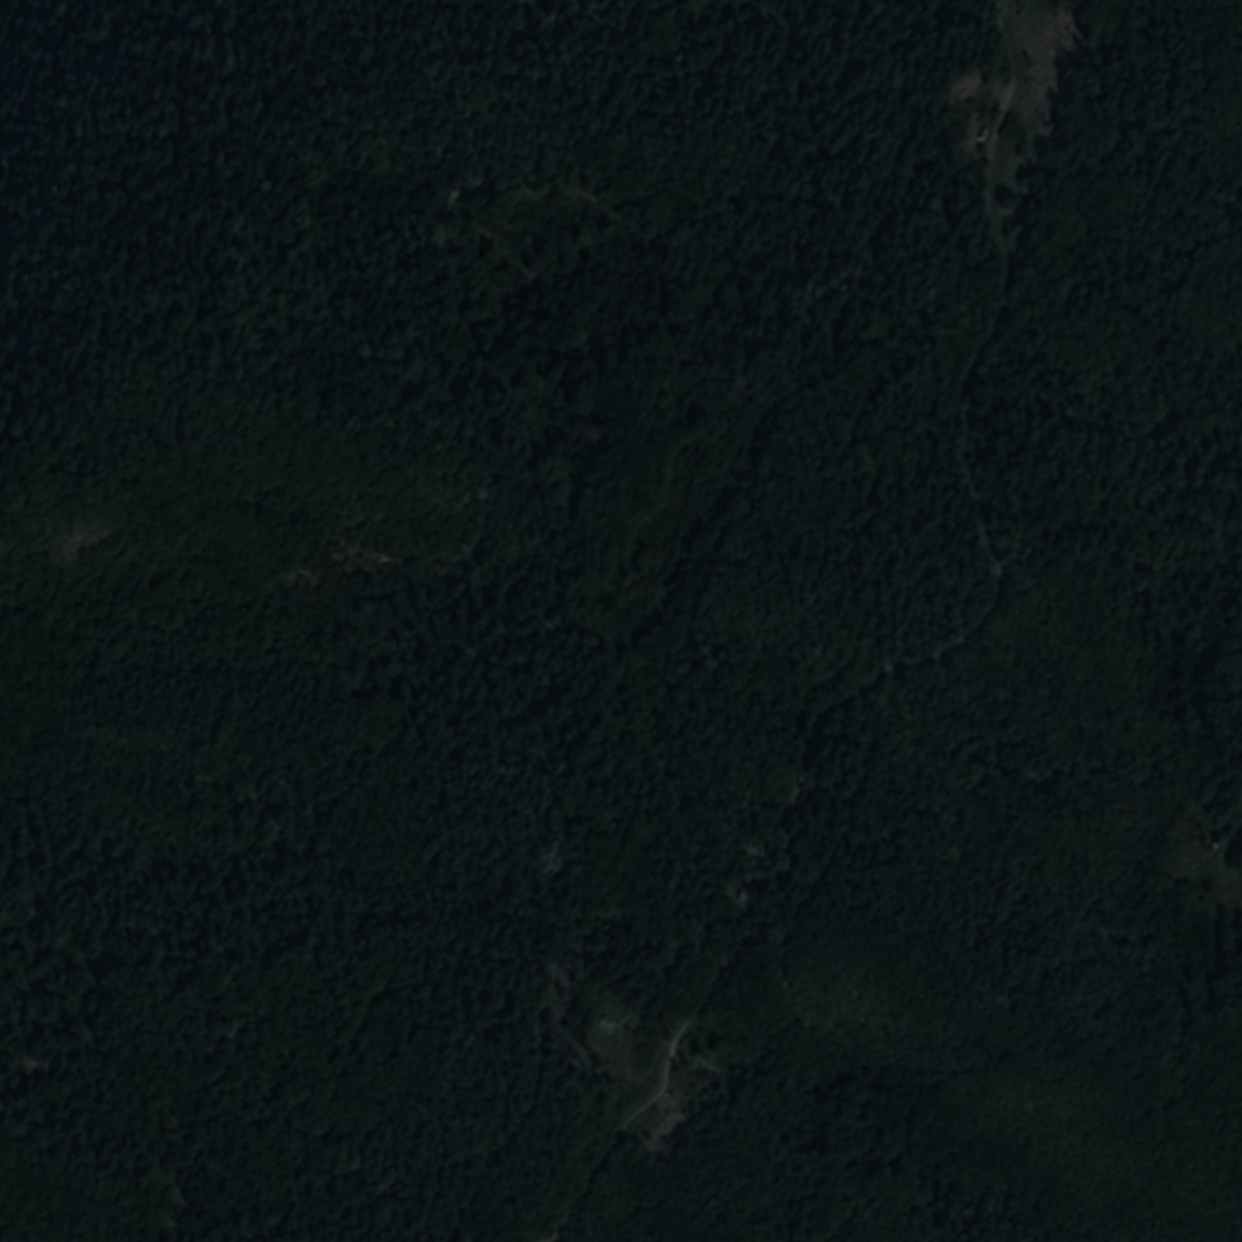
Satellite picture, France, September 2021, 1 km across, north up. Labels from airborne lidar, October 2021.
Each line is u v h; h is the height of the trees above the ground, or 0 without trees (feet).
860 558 63
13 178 49
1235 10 73
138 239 57
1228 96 63
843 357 67
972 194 78
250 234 33
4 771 83
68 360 49
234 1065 70
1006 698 56
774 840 81
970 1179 91
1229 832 41
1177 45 78
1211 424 82
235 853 38
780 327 22
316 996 72
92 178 74
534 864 72
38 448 97
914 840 77
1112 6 88
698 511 27
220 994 74
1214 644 27
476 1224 81
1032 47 0
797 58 80
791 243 69
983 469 83
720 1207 73
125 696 76
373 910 89
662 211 94
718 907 81
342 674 67
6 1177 63
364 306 73
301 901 19
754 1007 86
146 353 32
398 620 95
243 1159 75
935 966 70
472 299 59
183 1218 55
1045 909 80
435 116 77
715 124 83
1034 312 77
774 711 75
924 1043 50
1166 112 65
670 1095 27
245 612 66
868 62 84
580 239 89
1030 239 100
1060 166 56
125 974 75
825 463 81
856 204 118
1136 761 81
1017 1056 52
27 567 42
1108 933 95
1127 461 85
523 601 82
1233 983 77
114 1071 88
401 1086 42
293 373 52
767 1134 77
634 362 76
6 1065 49
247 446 63
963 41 79
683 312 79
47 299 49
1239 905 0
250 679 81
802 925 67
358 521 27
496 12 90
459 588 89
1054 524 82
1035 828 75
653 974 73
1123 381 83
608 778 67
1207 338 82
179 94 59
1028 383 48
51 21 59
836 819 103
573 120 88
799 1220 90
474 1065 71
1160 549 64
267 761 75
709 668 93
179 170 64
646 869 84
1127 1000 73
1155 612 83
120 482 74
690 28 23
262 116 33
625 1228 57
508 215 93
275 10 76
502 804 66
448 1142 96
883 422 98
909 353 56
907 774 79
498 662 86
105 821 79
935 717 85
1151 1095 88
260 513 75
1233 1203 52
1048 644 62
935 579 83
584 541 58
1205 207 98
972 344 34
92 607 68
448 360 22
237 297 72
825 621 92
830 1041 67
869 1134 95
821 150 24
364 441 75
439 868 80
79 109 55
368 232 50
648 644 91
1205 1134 79
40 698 88
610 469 77
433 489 35
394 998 78
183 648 72
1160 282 42
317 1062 62
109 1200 69
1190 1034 72
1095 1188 69
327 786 33
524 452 68
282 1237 55
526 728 89
